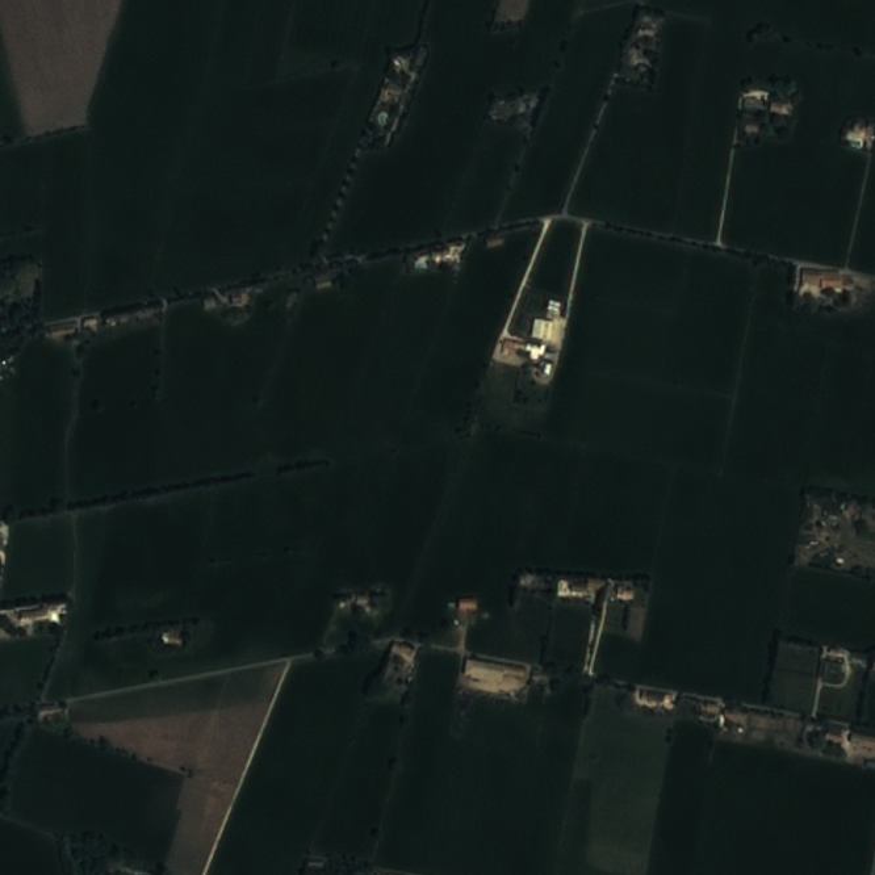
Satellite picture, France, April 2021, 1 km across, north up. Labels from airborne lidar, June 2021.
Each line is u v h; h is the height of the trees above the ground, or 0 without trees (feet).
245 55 0
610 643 0
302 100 0
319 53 0
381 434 0
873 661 20
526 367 25
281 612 0
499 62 0
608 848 0
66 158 0
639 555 0
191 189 0
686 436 0
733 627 0
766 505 0
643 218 0
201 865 0
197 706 0
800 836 0
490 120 18
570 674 38
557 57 0
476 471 0
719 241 0
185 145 0
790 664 0
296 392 0
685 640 0
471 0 0
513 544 0
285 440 0
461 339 0
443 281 0
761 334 0
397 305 0
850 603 0
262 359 0
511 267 0
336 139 0
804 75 0
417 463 0
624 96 0
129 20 0
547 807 0
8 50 0
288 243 0
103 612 0
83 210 0
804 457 0
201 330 0
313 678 0
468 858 0
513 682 0
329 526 0
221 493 0
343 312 0
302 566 0
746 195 0
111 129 0
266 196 0
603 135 0
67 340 25
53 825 0
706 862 0
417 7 0
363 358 0
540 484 0
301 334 0
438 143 0
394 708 0
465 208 0
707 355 0
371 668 0
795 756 0
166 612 0
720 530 0
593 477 0
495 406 0
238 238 0
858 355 0
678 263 0
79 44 0
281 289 0
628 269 0
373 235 0
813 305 59
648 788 0
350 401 0
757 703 0
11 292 70
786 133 42
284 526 0
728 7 0
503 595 0
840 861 0
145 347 0
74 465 0
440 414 0
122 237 0
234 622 0
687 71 0
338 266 30
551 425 0
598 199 0
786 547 0
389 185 0
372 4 0
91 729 0
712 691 0
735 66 0
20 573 0
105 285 0
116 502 36
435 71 0
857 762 0
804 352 0
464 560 0
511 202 0
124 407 0
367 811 0
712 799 0
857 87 0
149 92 0
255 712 0
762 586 0
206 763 0
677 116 0
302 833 0
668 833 0
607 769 0
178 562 0
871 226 0
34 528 0
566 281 0
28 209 0
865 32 0
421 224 0
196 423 0
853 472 0
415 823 0
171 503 0
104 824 0
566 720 0
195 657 0
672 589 0
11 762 30
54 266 0
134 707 0
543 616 0
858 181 0
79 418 0
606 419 0
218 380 0
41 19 0
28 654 0
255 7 0
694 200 0
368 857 0
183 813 0
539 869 0
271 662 0
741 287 0
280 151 0
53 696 0
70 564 0
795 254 0
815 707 0
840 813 0
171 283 0
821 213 0
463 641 0
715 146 0
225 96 0
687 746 0
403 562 0
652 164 0
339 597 27
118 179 0
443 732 0
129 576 0
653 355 0
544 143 0
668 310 0
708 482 0
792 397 0
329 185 0
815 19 0
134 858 54
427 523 0
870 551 0
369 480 0
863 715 39
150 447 0
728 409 0
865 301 0
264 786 0
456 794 0
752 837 0
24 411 0
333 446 0
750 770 0
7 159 0
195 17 0
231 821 0
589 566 0
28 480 0
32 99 0
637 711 52
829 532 0
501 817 0
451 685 0
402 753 0
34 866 0
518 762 0
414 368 0
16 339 32
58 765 0
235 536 0
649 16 29
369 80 0
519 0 0
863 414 0
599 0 0
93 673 0
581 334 0
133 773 0
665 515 0
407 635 33
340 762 0
